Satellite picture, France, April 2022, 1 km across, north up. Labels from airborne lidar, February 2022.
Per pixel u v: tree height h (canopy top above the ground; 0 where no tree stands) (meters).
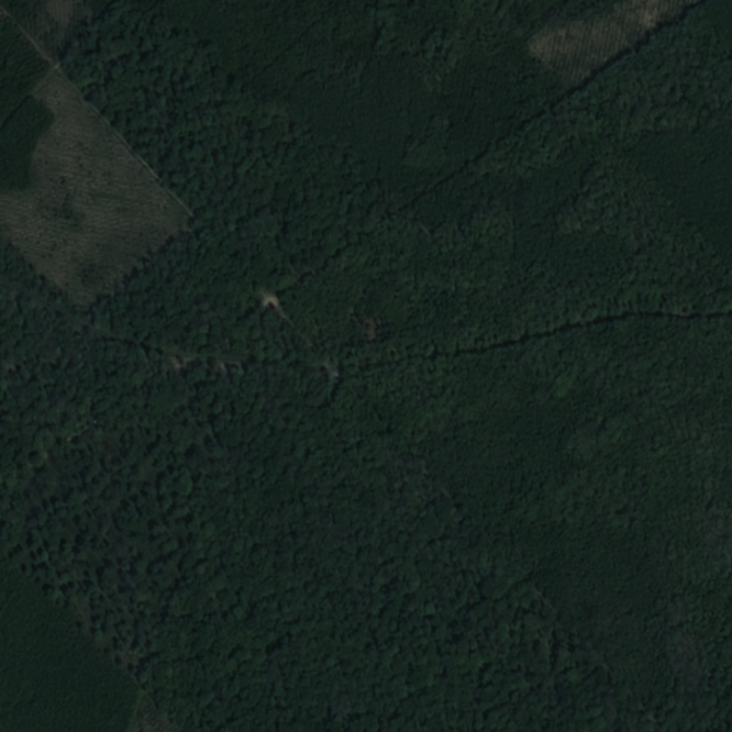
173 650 23
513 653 23
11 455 27
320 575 25
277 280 22
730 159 14
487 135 11
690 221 15
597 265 18
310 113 12
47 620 15
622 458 18
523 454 13
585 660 25
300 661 26
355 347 18
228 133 19
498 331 19
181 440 22
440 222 15
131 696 15
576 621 13
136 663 0
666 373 22
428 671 24
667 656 18
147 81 22
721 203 11
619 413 15
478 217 23
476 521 15
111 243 0
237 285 26
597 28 0
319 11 7
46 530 23
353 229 26
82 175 0
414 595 29
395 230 22
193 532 25
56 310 0
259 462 23
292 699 25
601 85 20
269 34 7
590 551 11
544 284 22
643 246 23
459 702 21
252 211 15
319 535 26
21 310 25
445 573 24
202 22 12
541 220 16
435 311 18
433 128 17
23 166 9
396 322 14
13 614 15
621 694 26
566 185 16
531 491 15
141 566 25
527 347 20
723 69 24
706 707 21
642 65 23
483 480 15
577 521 20
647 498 17
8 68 8
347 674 28
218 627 21
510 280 19
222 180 27
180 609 19
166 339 24
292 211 15
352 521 18
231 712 26
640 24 0
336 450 25
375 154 11
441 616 27
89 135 0
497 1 19
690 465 15
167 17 8
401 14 15
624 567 12
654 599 13
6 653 14
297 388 25
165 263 22
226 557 20
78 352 28
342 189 16
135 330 25
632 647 13
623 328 22
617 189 22
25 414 26
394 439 25
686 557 15
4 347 26
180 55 19
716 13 16
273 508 25
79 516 22
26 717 15
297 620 25
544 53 0
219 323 24
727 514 15
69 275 0
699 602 18
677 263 22
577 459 15
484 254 23
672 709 17
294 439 22
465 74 7
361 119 11
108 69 20
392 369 25
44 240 0
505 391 20
